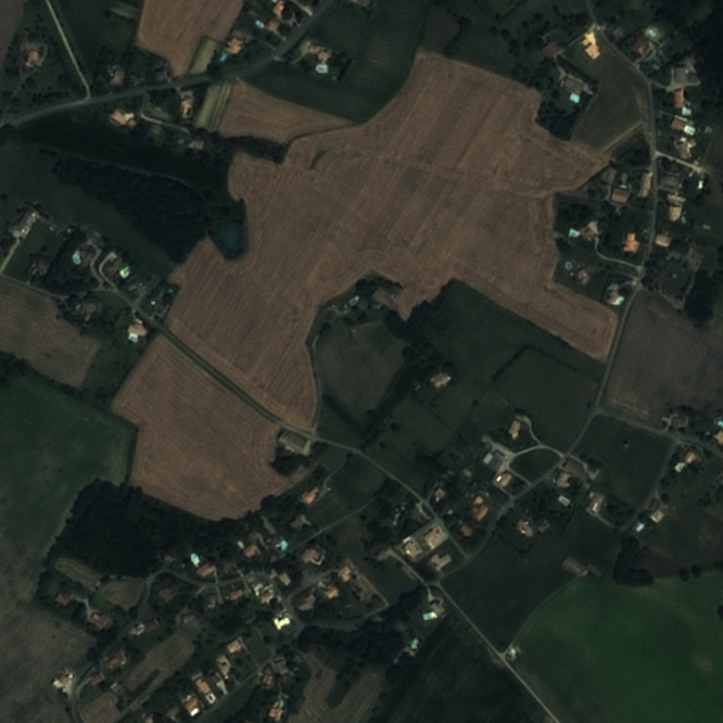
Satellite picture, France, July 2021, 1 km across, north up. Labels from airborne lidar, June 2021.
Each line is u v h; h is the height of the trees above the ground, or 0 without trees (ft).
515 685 0
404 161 0
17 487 0
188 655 0
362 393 0
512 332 0
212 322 0
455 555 0
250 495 0
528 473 0
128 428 0
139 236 0
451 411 0
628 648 0
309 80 0
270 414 0
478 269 0
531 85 23
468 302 0
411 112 0
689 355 0
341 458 0
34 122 0
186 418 0
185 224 73
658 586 0
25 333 0
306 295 0
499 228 0
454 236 0
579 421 0
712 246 0
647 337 0
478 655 0
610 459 0
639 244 0
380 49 0
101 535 27
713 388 0
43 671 0
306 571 0
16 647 0
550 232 0
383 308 26
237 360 0
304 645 53
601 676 0
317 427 0
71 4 0
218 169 41
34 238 0
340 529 0
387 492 20
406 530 24
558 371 0
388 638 62
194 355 0
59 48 19
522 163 0
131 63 25
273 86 0
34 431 0
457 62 0
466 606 0
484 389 0
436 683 0
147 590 0
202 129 31
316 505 0
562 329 0
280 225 0
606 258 0
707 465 0
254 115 0
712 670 0
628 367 0
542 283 0
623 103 0
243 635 24
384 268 0
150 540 24
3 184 0
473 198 0
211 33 0
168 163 0
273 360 0
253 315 0
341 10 0
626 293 18
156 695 21
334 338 0
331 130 0
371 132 0
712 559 0
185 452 0
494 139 0
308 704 0
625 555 40
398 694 0
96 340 0
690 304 39
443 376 0
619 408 0
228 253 36
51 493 0
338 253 0
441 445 0
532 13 0
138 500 64
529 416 19
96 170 78
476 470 0
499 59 0
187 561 38
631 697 0
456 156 0
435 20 0
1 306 0
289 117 0
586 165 0
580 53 0
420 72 0
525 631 0
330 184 0
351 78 0
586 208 42
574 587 0
